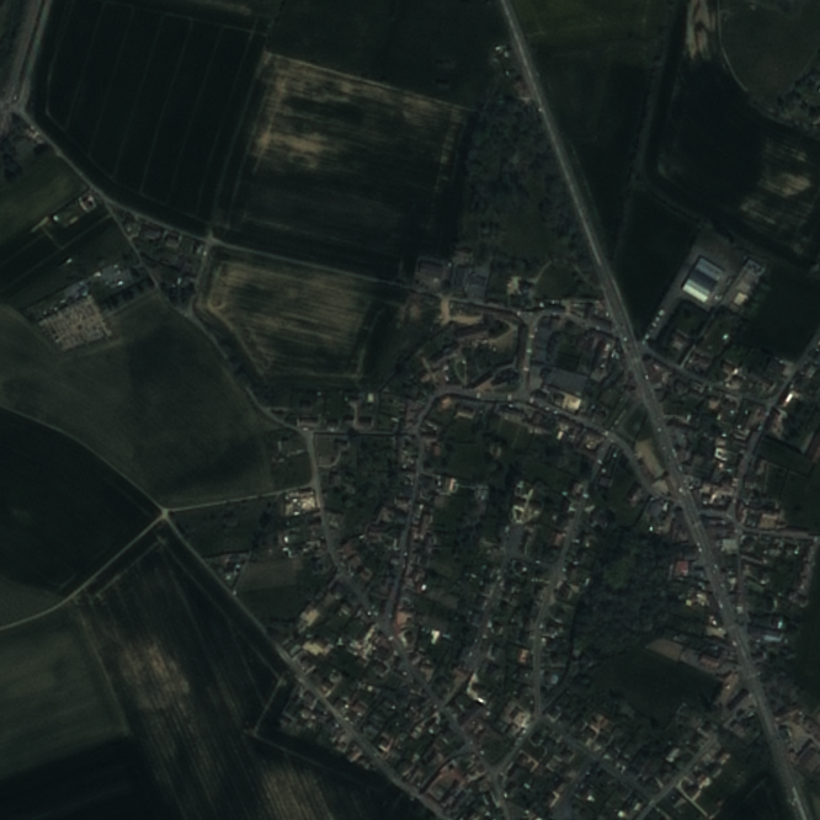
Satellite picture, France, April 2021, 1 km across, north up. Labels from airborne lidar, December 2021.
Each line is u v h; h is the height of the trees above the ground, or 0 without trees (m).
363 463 12
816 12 0
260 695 0
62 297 0
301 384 0
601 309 0
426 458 0
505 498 14
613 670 0
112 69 0
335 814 0
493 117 20
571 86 0
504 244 0
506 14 0
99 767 0
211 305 0
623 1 0
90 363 0
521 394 0
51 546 0
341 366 0
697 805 0
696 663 0
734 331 7
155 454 0
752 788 0
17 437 0
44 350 0
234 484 0
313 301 0
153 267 11
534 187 0
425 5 0
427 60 0
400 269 0
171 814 0
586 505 0
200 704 0
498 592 0
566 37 0
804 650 0
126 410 0
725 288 0
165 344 0
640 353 0
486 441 13
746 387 0
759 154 0
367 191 0
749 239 0
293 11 0
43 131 0
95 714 0
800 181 0
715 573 0
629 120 0
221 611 0
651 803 0
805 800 0
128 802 0
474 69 0
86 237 0
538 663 0
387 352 0
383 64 0
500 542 11
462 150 0
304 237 0
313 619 0
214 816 0
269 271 0
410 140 0
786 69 0
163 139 0
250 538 0
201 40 0
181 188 0
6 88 0
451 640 0
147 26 0
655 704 0
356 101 0
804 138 0
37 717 0
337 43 0
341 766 0
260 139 0
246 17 0
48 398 0
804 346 0
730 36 0
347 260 0
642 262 0
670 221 0
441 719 0
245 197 0
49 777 0
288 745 0
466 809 7
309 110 0
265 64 0
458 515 0
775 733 0
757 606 0
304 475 0
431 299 7
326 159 0
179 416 0
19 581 0
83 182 0
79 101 0
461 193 0
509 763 0
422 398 10
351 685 10
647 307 0
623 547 12
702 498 0
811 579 0
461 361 0
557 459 18
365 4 0
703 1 0
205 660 0
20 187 0
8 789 0
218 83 0
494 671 0
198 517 0
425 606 0
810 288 0
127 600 0
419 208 0
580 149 0
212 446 0
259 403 16
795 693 10
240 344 0
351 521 0
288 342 0
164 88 0
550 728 0
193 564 0
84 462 0
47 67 0
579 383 0
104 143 0
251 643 0
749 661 0
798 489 0
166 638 0
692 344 7
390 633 0
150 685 0
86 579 0
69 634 0
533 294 0
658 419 0
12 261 0
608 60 0
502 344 0
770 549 0
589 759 0
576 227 14
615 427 0
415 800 0
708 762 0
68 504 0
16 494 0
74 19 0
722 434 9
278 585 0
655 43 0
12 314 0
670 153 0
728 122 0
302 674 0
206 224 0
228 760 0
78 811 0
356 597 7
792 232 0
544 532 0
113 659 0
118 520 0
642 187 14
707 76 0
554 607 0
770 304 0
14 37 8
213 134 0
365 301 0
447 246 0
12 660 0
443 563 0
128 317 0
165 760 0
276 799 0
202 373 0
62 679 0
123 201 0
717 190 0
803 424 6
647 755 11
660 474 0
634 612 12
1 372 0
